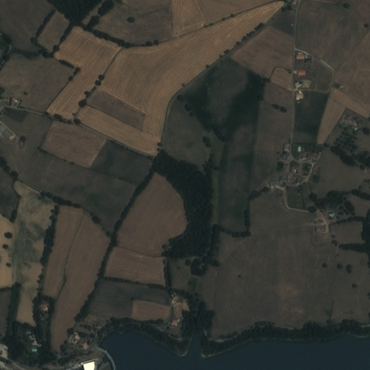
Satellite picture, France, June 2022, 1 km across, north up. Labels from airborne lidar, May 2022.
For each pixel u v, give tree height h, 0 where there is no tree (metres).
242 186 0
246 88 0
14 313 0
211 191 21
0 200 0
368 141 0
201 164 0
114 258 0
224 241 0
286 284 0
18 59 0
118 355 0
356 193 16
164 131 0
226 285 0
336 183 0
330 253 0
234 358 0
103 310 0
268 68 0
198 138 0
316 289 0
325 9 0
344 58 0
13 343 19
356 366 0
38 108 0
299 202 0
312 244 0
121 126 0
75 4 15
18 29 0
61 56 0
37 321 10
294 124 0
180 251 17
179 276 0
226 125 0
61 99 0
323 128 0
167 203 0
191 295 18
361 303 0
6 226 0
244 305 0
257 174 0
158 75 0
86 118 0
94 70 0
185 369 0
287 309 0
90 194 0
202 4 0
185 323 18
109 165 0
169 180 15
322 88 0
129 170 0
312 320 0
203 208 19
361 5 0
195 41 0
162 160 14
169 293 13
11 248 0
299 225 0
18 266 0
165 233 0
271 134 0
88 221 0
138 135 0
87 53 0
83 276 0
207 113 0
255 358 0
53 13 10
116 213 0
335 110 0
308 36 0
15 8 0
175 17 0
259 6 0
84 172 0
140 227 0
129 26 0
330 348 0
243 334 10
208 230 24
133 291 0
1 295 0
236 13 0
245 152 0
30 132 0
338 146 7
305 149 0
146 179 10
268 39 0
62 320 0
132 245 0
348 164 16
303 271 0
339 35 0
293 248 0
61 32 0
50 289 0
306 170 6
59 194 0
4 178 0
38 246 0
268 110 0
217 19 0
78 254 0
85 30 15
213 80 0
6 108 7
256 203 0
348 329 15
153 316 0
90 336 12
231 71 0
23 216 0
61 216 0
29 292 0
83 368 0
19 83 0
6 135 0
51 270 0
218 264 14
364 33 0
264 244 0
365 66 0
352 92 0
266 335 15
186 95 0
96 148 0
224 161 0
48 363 8
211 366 0
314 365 0
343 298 0
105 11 16
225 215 0
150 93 0
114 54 0
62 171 0
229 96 0
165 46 0
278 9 0
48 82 0
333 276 0
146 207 0
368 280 0
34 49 0
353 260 0
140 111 0
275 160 0
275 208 0
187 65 0
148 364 0
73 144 0
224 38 0
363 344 0
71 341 0
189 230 12
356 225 0
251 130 0
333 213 0
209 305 0
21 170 0
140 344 0
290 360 0
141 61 0
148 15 0
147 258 0
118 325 17
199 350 0
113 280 10
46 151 7
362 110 0
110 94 0
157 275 0
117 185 0
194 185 17
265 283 0
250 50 0
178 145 0
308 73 0
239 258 0
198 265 19
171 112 0
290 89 0
